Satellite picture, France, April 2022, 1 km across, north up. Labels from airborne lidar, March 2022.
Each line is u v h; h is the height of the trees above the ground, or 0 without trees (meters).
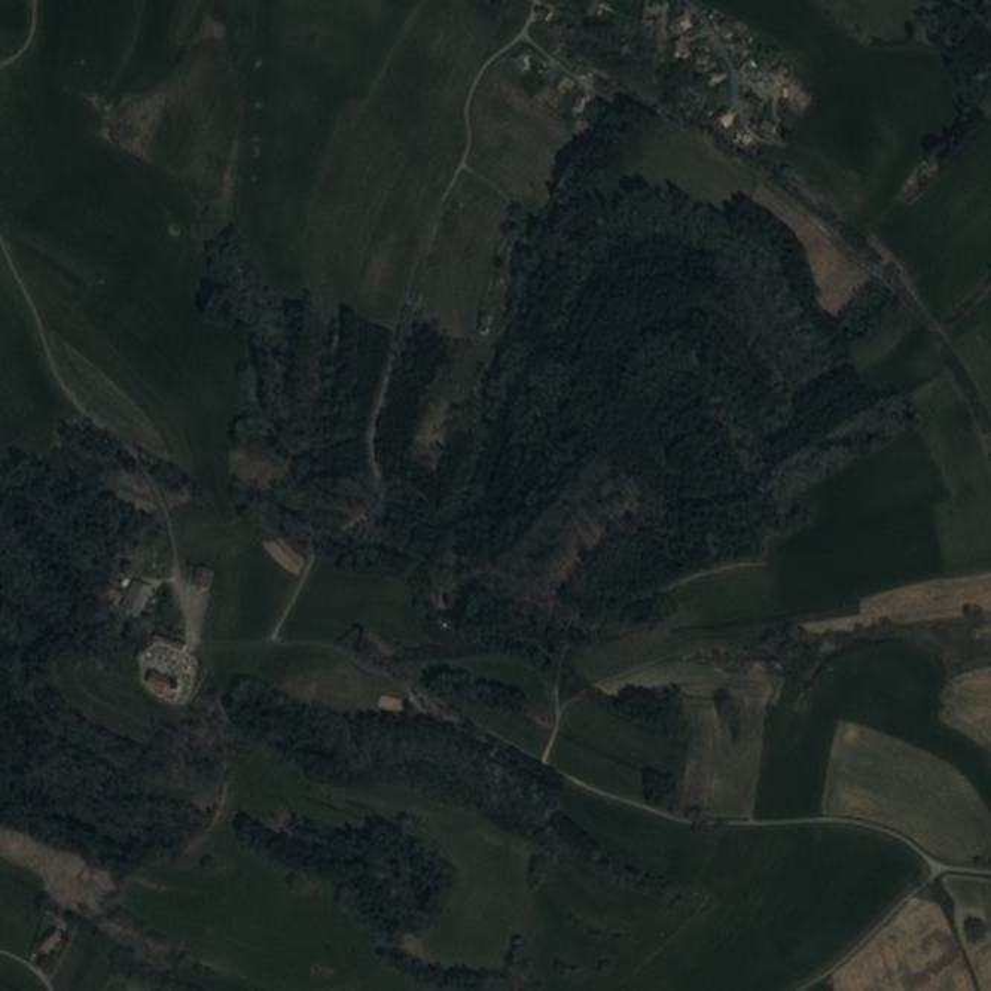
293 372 21
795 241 17
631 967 0
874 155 0
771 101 0
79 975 0
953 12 23
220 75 0
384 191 0
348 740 26
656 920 0
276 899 0
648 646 0
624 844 0
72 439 19
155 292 0
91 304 0
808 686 6
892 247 0
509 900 0
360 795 0
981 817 0
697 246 17
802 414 17
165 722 0
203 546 0
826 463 29
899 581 0
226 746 9
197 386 0
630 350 20
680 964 0
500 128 0
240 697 23
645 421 21
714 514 24
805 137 0
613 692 0
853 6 0
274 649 0
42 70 0
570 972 11
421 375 20
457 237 0
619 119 30
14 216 0
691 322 13
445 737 23
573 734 0
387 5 0
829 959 0
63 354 0
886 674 0
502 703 19
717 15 0
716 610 0
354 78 0
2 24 0
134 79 0
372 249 0
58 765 28
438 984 21
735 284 31
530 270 18
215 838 0
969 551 0
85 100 0
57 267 0
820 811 0
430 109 0
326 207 0
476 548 31
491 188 0
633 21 0
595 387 25
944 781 0
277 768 0
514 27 0
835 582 0
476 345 0
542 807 22
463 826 0
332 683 0
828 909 0
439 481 11
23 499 21
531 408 20
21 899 0
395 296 0
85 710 0
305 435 8
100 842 29
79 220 0
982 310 0
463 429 15
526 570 31
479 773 22
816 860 0
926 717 0
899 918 0
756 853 0
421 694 0
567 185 28
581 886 0
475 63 0
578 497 29
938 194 0
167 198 0
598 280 18
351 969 0
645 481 23
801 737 0
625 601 16
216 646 0
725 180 0
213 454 0
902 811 0
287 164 0
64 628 26
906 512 0
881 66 0
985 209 0
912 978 0
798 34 0
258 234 0
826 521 0
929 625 0
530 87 0
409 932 11
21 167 0
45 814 25
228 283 18
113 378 0
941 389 0
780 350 28
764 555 20
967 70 11
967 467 0
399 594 0
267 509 23
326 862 20
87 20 0
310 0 0
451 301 0
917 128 0
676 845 0
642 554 17
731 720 21
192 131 0
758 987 0
